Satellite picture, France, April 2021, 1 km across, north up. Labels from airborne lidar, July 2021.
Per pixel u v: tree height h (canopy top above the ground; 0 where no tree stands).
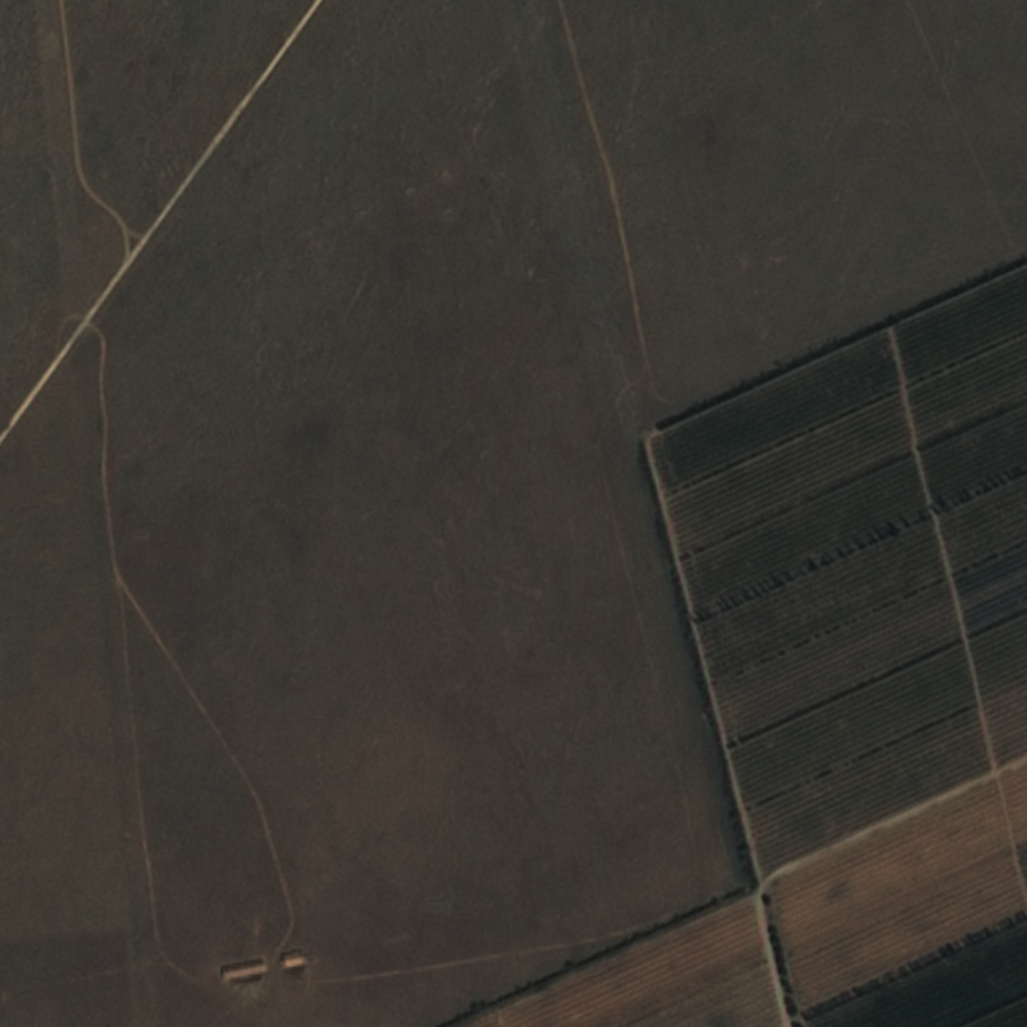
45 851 0
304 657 0
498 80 0
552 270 0
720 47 0
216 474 0
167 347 0
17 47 0
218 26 0
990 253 0
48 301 0
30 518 0
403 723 0
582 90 0
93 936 0
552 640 0
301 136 0
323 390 0
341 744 0
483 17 0
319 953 0
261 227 0
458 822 0
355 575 0
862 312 0
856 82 0
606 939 0
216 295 0
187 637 0
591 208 0
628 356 0
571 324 0
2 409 0
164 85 0
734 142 0
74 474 0
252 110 0
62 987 0
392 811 0
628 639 0
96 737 0
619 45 0
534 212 0
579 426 0
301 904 0
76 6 0
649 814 0
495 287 0
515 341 0
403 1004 0
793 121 0
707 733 0
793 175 0
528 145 0
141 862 0
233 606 0
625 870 0
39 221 0
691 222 0
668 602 0
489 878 0
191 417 0
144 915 0
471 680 0
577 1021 0
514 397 0
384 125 0
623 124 0
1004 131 0
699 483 7
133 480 0
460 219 0
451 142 0
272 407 0
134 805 0
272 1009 0
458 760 0
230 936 0
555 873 0
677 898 0
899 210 0
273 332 0
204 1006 0
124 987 0
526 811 0
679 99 0
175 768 0
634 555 0
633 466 0
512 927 0
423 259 0
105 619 0
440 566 0
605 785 0
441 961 0
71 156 0
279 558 0
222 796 0
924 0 0
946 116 0
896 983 16
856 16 0
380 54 0
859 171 0
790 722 8
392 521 0
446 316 0
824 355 12
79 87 0
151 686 0
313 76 0
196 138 0
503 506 0
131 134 0
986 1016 13
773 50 0
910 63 0
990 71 0
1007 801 0
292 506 0
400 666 0
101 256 0
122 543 0
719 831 0
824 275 0
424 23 0
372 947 0
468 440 0
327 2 0
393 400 0
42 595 0
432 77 0
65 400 0
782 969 7
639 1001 0
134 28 0
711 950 0
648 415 0
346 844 0
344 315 0
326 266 0
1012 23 0
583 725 0
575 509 0
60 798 0
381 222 0
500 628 0
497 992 0
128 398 0
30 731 0
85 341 0
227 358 0
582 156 0
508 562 0
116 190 0
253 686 0
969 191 0
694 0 0
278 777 0
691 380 0
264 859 0
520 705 0
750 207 0
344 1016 0
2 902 0
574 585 0
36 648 0
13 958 0
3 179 0
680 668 0
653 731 0
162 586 0
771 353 0
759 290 0
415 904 0
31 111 0
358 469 0
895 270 0
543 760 0
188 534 0
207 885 0
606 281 0
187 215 0
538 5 0
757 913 0
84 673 0
